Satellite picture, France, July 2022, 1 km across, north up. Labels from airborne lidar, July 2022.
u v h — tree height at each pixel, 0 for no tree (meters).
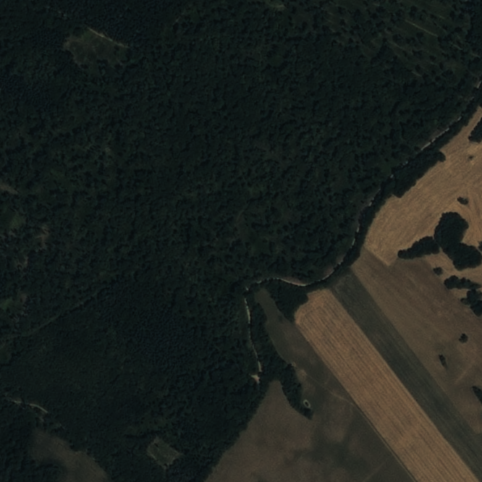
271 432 0
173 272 23
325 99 24
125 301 21
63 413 18
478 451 0
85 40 0
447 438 0
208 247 18
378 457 0
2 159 21
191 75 19
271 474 0
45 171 26
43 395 18
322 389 0
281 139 20
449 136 16
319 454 0
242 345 21
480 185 0
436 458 0
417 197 0
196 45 22
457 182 0
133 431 0
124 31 24
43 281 20
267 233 17
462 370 0
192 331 22
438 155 20
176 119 23
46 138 21
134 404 20
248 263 24
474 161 0
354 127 8
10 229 0
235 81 21
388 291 0
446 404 0
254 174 16
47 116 24
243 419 17
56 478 17
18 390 17
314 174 20
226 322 17
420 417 0
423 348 0
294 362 0
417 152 16
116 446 23
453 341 0
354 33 22
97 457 16
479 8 17
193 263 19
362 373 0
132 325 17
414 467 0
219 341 19
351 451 0
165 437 20
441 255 0
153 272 20
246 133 21
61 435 20
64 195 25
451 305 0
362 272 0
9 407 19
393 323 0
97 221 22
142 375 20
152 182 24
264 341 21
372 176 28
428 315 0
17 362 18
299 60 17
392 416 0
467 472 0
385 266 0
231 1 25
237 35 18
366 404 0
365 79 19
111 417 19
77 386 15
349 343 0
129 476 24
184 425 15
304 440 0
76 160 21
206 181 18
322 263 24
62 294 24
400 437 0
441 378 0
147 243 20
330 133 22
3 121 22
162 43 18
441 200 0
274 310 0
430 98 23
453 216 20
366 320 0
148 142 18
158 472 19
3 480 19
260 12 20
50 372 15
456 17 28
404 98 20
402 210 0
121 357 19
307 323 0
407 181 26
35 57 14
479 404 0
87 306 20
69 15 22
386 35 28
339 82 22
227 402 18
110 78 24
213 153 21
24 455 10
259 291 13
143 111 19
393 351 0
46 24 20
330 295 0
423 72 24
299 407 20
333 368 0
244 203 19
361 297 0
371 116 21
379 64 22
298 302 15
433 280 0
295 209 22
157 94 18
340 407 0
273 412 0
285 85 20
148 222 21
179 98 22
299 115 21
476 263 15
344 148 18
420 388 0
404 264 0
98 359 9
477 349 0
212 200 16
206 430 21
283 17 19
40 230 27
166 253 21
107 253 20
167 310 19
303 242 23
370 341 0
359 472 0
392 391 0
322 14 23
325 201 24
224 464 0
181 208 22
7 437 20
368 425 0
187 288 21
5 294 17
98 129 18
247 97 23
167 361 22
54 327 12
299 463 0
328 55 21
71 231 21
